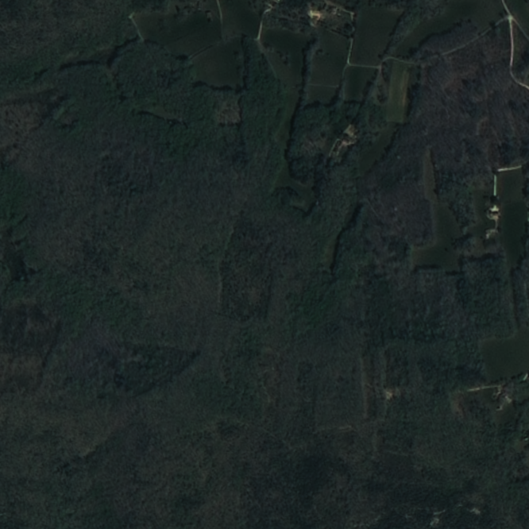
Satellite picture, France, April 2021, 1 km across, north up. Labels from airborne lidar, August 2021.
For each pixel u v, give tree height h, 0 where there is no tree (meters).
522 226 0
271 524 7
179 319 10
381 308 6
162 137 19
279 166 17
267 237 11
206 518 7
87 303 22
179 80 14
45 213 11
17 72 19
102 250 10
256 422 10
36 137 10
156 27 0
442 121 6
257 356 9
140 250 11
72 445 12
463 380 19
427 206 15
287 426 12
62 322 16
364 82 0
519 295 13
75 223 11
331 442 8
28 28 11
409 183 14
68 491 16
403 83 0
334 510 8
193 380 10
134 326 19
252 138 18
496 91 16
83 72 16
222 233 12
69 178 12
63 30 12
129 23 15
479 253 0
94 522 11
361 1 6
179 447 10
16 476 13
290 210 13
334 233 18
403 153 12
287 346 17
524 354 0
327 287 19
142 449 8
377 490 7
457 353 16
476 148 18
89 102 16
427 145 14
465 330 14
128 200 8
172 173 17
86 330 22
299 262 13
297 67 0
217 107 13
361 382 12
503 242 0
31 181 12
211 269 10
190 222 11
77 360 20
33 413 12
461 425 19
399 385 6
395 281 11
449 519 10
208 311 12
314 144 18
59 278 15
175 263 11
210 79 0
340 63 0
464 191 21
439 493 8
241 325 10
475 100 16
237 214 11
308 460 7
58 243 11
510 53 5
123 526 8
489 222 0
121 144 8
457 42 13
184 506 7
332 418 13
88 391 15
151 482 10
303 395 7
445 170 8
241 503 9
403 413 12
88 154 12
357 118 9
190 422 13
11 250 13
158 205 11
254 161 24
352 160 23
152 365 10
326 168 8
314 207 11
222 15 0
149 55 14
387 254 13
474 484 14
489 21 0
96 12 11
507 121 18
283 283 11
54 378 17
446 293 17
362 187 11
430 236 16
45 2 13
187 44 0
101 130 14
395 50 9
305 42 0
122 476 8
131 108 18
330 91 0
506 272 13
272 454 6
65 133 17
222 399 10
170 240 11
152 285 10
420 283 23
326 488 9
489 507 7
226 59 0
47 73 18
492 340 13
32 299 19
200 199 12
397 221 17
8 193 23
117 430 11
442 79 18
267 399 13
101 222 10
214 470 7
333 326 15
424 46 14
